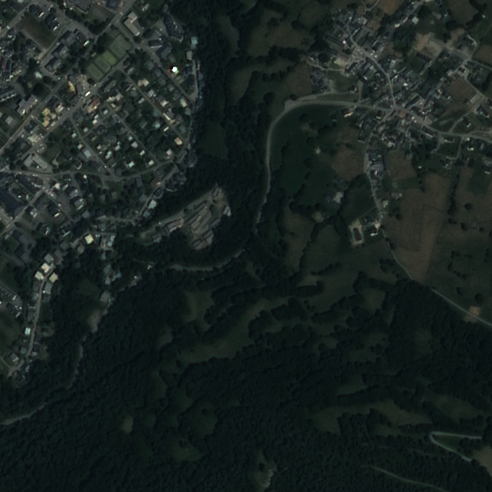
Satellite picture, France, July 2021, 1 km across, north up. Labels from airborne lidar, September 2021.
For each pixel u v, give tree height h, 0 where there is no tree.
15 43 13
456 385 28
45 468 28
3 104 12
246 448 19
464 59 0
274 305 0
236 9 16
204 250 8
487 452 0
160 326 12
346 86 0
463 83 0
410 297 17
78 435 30
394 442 25
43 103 0
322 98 0
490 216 0
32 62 16
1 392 9
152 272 13
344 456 22
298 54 12
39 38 0
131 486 15
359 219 0
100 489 24
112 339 22
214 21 14
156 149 16
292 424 22
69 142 8
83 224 20
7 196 0
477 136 0
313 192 0
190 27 15
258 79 9
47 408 8
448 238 0
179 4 17
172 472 12
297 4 0
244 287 19
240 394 18
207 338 21
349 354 23
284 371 26
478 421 17
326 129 14
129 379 20
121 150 9
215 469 20
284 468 9
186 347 24
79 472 21
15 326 0
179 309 22
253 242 23
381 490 19
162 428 16
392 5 0
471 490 18
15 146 8
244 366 10
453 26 17
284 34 0
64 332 22
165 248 24
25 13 9
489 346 29
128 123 14
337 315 17
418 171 7
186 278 17
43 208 0
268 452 23
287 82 0
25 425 19
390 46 0
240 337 0
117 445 17
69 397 11
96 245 16
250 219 12
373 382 24
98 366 23
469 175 0
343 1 0
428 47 0
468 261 0
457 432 18
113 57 0
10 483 26
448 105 0
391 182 0
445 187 0
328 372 15
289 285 27
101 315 0
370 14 9
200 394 19
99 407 23
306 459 11
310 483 21
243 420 21
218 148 0
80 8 0
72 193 0
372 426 21
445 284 0
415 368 8
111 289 8
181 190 9
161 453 16
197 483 24
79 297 26
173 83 6
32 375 9
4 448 20
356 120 5
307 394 28
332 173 0
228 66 18
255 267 8
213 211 11
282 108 0
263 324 21
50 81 21
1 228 6
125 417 17
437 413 31
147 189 7
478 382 20
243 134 15
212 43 23
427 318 6
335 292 0
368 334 15
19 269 15
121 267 20
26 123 0
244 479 8
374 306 0
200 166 20
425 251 0
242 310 27
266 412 24
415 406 27
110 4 0
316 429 8
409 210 0
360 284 27
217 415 11
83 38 0
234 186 22
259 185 11
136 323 23
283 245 15
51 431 22
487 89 12
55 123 0
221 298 23
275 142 0
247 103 23
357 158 0
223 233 28
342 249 0
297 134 0
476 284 0
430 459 15
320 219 0
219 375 19
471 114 0
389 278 0
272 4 20
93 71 0
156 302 25
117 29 13
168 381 17
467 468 16
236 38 0
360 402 21
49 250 16
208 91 21
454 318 23
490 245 0
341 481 16
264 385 24
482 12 8
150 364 12
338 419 0
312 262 0
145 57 12
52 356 8
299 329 11
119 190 0
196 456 0
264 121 18
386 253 0
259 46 0
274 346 8
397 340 8
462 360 10
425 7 11
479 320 0
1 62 6
